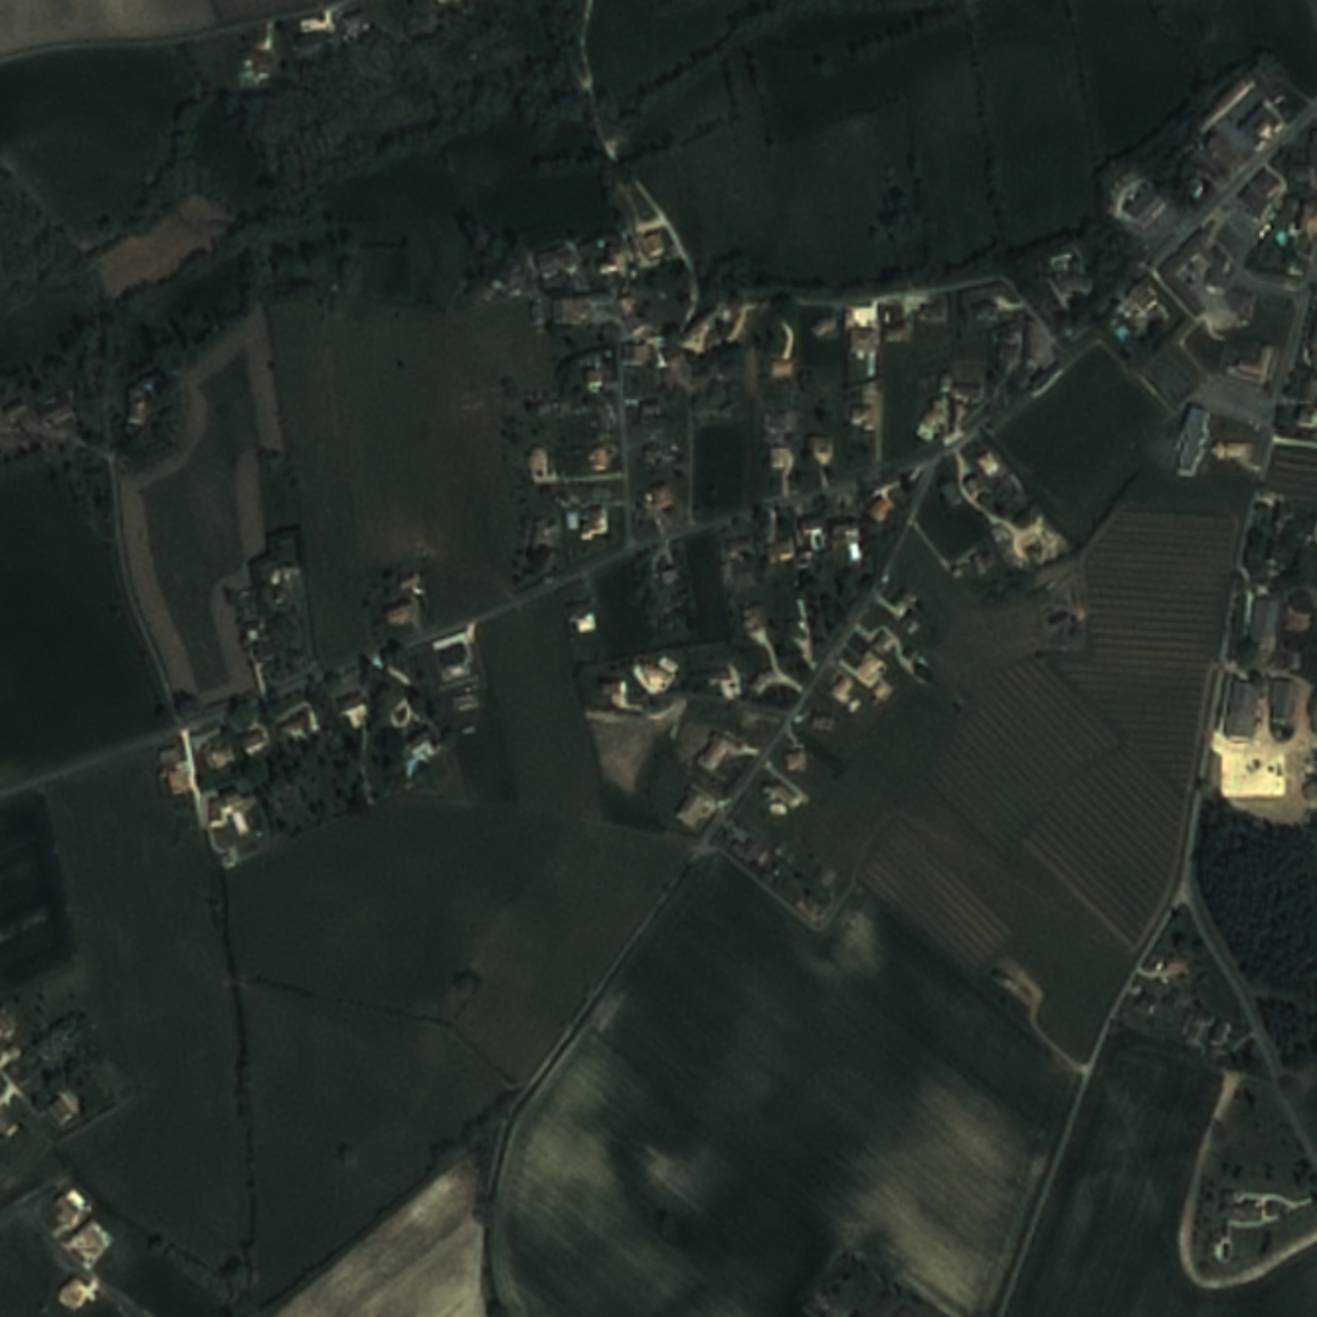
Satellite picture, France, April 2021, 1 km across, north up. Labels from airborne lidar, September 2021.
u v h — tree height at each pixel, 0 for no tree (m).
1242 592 8
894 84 0
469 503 0
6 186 19
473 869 0
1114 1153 0
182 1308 0
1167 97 0
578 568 0
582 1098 0
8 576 0
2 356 0
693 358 8
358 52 22
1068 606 0
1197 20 0
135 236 9
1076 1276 0
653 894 0
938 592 0
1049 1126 0
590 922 0
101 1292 0
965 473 0
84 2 0
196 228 0
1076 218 0
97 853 0
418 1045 0
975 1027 0
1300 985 14
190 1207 0
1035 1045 0
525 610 0
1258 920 15
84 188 0
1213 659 0
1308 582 6
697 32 0
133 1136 0
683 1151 0
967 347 0
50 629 0
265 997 0
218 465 0
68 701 0
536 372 0
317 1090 0
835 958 0
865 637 0
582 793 0
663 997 0
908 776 0
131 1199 0
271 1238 0
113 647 0
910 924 0
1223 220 0
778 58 0
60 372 15
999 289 7
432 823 0
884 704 0
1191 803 0
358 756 20
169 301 0
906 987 0
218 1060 0
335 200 0
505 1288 0
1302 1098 13
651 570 8
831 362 0
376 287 0
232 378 0
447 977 0
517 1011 0
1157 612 0
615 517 0
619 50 0
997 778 0
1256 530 8
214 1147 0
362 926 0
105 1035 0
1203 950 9
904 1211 0
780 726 0
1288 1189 0
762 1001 0
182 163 16
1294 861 17
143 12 0
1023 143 0
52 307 0
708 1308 0
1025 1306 0
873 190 0
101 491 8
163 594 0
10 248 20
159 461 0
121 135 0
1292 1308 0
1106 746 0
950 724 0
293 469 9
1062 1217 0
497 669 0
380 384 0
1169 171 8
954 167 0
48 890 0
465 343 0
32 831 0
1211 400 0
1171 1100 0
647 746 0
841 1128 0
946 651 0
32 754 0
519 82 18
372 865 0
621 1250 0
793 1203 0
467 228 16
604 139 15
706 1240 0
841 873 0
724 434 0
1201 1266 6
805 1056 0
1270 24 0
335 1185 0
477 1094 0
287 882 0
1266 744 0
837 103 0
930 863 0
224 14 0
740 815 0
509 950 0
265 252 14
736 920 0
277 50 0
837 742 0
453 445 0
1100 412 0
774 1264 0
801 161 0
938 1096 0
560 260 0
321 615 0
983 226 0
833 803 0
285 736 7
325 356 0
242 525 0
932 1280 0
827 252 0
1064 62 0
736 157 0
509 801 0
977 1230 0
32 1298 0
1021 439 0
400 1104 0
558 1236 0
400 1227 0
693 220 0
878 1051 0
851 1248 0
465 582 0
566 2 17
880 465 0
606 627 0
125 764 0
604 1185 0
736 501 0
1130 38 0
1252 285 0
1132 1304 0
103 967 0
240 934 0
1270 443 0
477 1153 11
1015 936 0
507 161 0
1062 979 0
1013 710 0
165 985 0
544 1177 0
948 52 0
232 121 11
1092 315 12
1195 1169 0
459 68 0
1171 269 0
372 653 0
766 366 6
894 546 0
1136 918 0
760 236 0
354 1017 0
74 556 0
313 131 16
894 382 0
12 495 0
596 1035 0
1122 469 0
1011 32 0
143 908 0
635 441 0
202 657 0
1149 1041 0
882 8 12
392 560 0
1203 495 0
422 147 14
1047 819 0
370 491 0
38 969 0
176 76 0
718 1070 0
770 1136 0
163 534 0
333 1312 0
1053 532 0
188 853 0
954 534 0
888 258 0
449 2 0
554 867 0
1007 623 0
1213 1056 10
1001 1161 0
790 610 0
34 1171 0
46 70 0
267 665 8
